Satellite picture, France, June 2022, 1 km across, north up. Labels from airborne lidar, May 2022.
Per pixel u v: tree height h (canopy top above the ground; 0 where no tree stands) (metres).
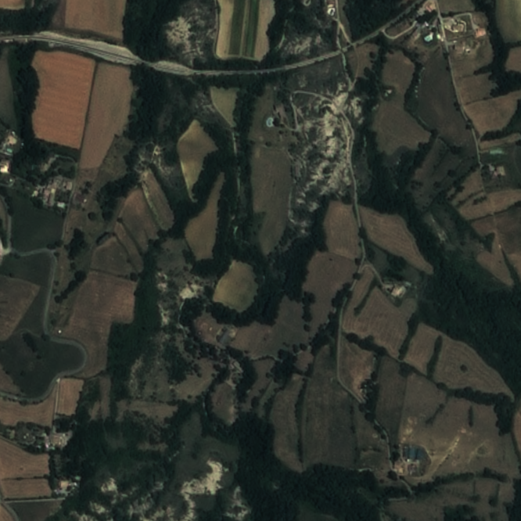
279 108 0
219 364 9
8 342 0
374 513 21
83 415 12
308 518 0
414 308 0
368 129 8
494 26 7
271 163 0
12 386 0
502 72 16
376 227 0
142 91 22
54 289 6
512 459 0
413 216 7
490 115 0
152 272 6
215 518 7
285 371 17
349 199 12
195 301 10
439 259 16
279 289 8
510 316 7
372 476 11
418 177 0
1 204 0
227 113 0
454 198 6
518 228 0
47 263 0
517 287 8
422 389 0
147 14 12
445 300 11
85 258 0
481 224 0
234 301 0
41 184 9
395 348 0
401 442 0
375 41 6
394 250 0
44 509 0
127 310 0
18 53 19
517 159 0
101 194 15
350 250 0
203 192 11
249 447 22
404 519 9
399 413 0
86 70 0
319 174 0
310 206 0
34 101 13
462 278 11
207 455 0
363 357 0
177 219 13
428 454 0
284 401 0
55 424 10
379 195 15
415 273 0
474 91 0
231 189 14
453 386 0
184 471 0
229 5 0
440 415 0
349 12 14
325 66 0
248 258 7
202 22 0
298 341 0
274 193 0
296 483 6
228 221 15
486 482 0
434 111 0
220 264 12
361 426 0
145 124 19
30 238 0
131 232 0
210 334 0
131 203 0
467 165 0
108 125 0
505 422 11
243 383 15
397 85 0
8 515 0
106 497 6
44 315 0
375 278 0
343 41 0
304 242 13
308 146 0
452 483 0
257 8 0
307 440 0
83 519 0
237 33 0
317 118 0
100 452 12
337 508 16
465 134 0
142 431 9
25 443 6
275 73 9
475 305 16
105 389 0
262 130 0
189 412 9
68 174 10
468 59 0
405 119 0
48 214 0
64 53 0
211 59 7
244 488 12
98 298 0
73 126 0
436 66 0
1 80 0
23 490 0
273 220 0
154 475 8
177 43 0
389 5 15
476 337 9
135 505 0
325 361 0
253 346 0
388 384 0
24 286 0
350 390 0
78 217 0
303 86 0
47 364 0
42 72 0
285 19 9
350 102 0
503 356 7
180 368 13
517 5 0
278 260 9
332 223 0
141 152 0
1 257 0
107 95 0
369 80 9
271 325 9
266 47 0
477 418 0
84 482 10
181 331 6
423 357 0
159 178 7
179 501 0
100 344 0
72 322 0
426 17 12
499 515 0
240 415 11
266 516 8
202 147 0
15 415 0
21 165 15
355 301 0
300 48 0
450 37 0
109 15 0
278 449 0
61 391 0
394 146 0
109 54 0
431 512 0
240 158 11
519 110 8
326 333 10
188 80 9
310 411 0
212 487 0
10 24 8
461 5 0
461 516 9
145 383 11
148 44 16
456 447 0
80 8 0
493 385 0
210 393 13
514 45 6
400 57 0
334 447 0
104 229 0
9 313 0
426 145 12
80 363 0
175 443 12
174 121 10
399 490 17
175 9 9
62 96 0
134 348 7
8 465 0
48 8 10
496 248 0
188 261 9
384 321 0
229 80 7
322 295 0
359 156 5
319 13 7
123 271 0
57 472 10
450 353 0
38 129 0
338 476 25
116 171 0
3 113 0
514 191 0
